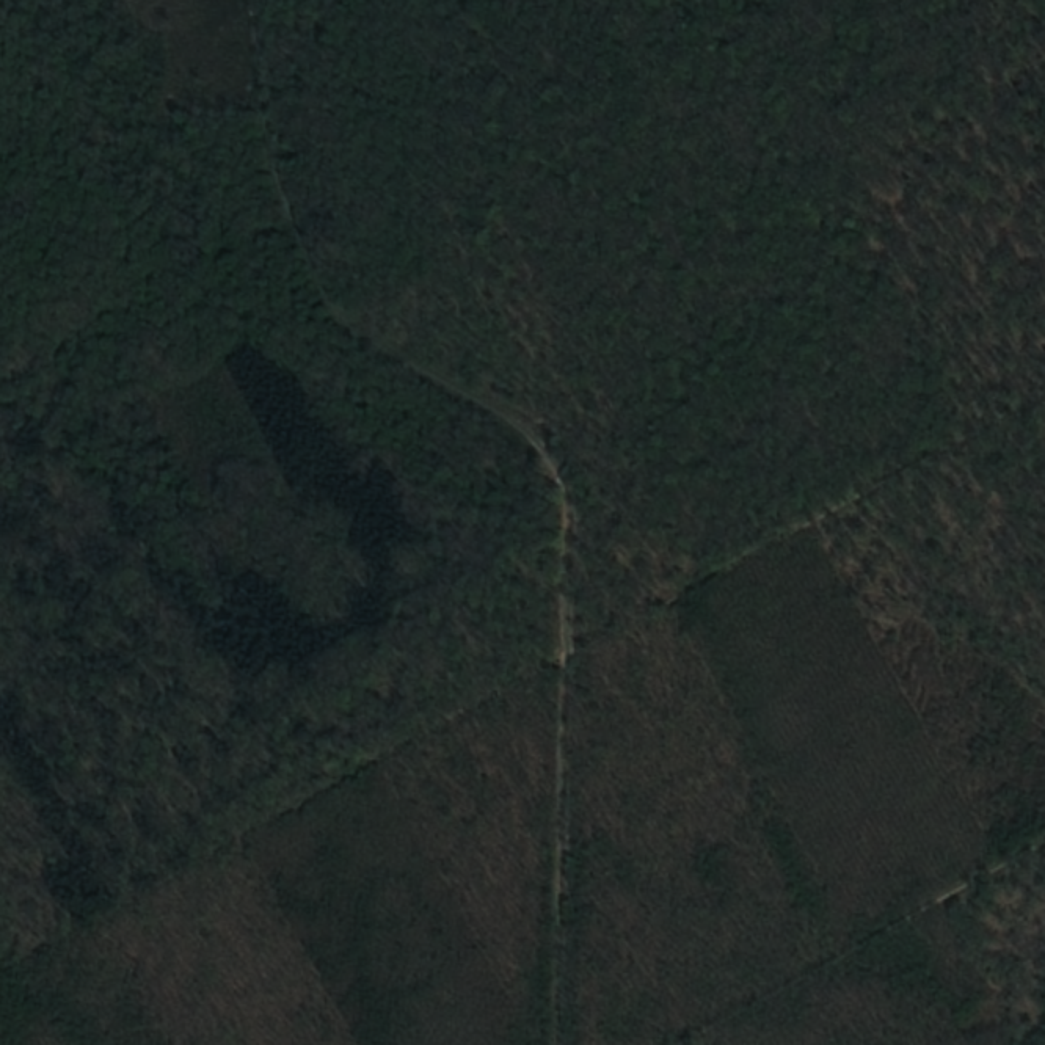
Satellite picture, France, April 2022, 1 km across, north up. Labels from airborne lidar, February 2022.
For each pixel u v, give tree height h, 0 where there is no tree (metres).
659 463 29
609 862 21
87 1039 7
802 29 30
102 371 33
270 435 28
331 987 12
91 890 28
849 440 25
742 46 29
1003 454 26
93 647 26
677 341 28
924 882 0
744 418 25
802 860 0
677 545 30
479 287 27
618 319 28
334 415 26
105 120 24
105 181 28
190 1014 22
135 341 25
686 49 30
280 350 32
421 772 20
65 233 24
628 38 30
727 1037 25
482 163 29
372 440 27
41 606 24
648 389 29
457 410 27
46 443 27
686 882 21
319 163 24
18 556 26
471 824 20
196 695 26
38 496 30
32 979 7
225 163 26
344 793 14
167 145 28
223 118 21
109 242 28
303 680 28
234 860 22
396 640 28
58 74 28
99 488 28
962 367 28
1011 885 0
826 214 32
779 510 29
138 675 30
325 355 26
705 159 28
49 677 26
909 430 29
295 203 24
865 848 0
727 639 11
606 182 26
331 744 28
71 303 27
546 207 26
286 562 24
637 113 30
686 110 28
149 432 21
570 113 28
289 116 25
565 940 18
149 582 30
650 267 27
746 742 15
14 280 27
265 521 24
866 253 30
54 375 27
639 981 23
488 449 29
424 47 29
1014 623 0
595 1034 24
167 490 28
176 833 25
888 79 30
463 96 30
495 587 31
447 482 33
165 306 24
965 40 31
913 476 31
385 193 30
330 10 28
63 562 29
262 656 35
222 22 0
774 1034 23
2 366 29
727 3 32
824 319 31
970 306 30
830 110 32
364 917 14
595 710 19
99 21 12
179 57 0
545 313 27
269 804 29
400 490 32
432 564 10
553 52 29
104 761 28
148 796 30
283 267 23
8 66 26
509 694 19
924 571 30
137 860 28
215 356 24
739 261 30
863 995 24
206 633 30
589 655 22
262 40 27
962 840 0
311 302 21
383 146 25
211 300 19
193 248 24
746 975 26
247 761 30
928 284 34
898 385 30
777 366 25
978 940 25
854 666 13
